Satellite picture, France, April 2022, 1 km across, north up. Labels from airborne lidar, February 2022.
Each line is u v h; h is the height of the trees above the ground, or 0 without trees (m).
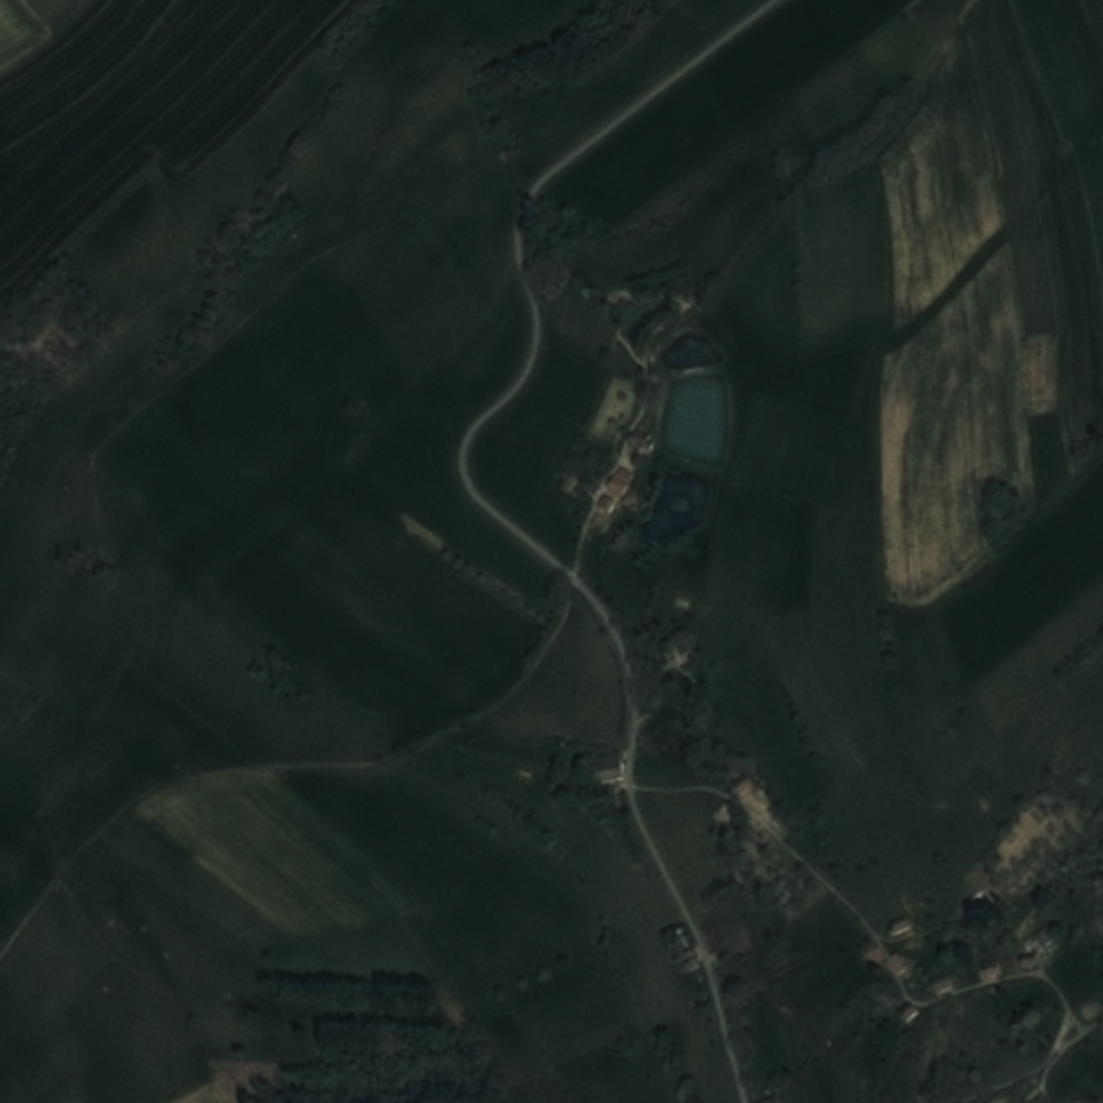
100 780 0
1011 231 0
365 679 0
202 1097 0
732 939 0
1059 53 0
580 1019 0
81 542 0
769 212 0
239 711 0
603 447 0
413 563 0
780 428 0
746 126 0
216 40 0
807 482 0
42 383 15
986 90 0
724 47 0
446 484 0
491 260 0
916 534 0
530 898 0
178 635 0
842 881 11
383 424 0
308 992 28
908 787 0
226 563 0
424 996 29
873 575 0
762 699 0
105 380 0
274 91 0
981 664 0
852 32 0
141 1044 0
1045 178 0
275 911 0
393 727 0
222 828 0
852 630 0
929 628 0
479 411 0
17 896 0
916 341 0
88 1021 0
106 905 0
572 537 0
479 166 0
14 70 0
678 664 0
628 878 0
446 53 0
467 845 0
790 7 0
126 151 0
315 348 0
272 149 0
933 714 0
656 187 0
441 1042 23
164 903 0
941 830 0
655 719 12
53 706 0
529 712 0
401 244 0
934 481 0
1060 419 0
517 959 0
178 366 17
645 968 0
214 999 0
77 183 0
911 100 14
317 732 0
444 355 0
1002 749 0
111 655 0
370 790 0
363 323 0
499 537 0
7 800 0
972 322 0
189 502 0
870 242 0
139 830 0
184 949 0
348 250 0
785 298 0
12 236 0
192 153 0
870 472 0
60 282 18
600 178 0
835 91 0
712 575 0
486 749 0
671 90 0
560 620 7
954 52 0
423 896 0
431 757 0
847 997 0
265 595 0
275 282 0
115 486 0
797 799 0
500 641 0
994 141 0
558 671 0
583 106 0
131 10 0
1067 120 0
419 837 0
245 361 0
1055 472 0
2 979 0
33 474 0
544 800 0
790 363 0
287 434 0
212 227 0
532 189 0
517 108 6
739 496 0
